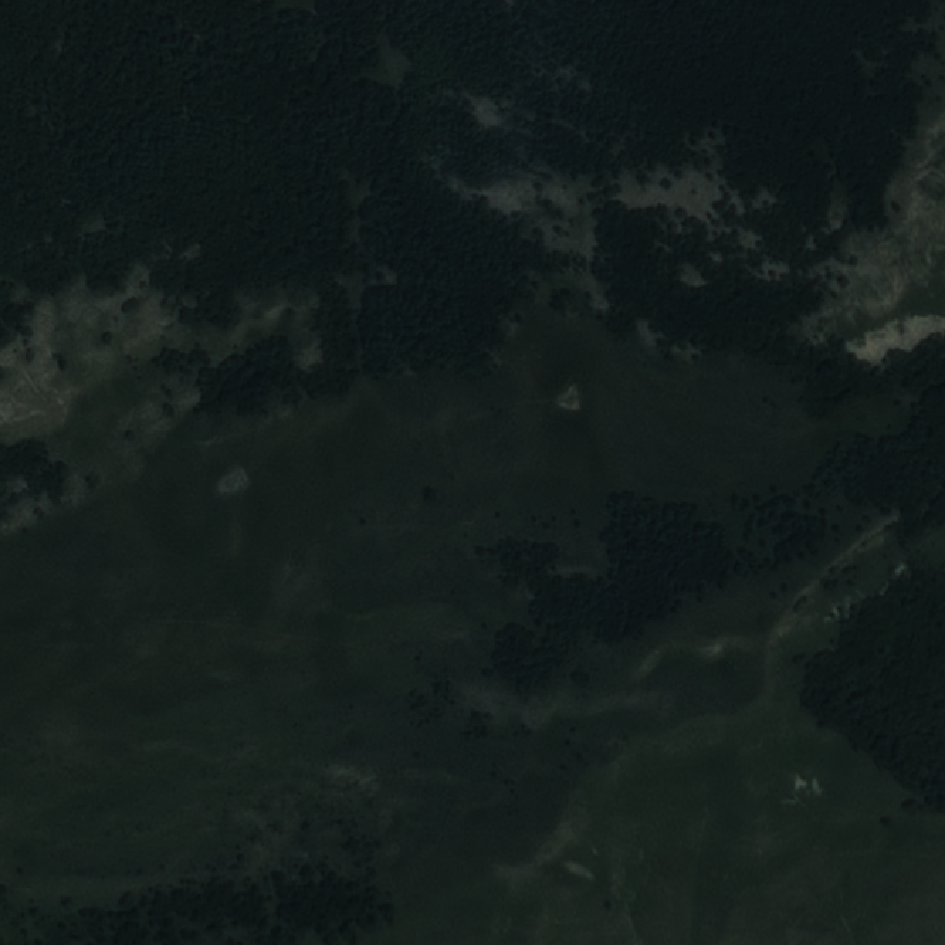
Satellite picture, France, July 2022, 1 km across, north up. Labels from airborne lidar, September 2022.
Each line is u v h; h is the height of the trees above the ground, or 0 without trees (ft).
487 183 0
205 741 0
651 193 0
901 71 24
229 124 55
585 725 0
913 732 60
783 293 33
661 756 0
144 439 0
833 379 62
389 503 0
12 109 54
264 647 0
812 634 0
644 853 0
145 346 0
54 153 51
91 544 0
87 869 0
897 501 37
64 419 0
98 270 30
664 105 41
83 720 0
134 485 0
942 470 37
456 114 28
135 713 0
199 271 44
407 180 60
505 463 0
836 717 33
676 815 0
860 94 39
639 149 21
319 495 0
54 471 31
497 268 43
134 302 22
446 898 0
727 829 0
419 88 43
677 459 0
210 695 0
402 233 49
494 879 0
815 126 50
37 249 25
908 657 49
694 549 53
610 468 0
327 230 64
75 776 0
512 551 30
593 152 37
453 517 0
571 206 0
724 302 42
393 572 0
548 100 28
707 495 0
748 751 0
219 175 53
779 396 0
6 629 0
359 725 0
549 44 20
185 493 0
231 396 51
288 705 0
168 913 34
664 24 55
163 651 0
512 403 0
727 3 54
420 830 0
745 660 0
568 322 0
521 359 0
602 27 25
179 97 71
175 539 0
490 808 0
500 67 36
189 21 67
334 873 29
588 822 0
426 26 28
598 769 0
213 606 0
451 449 0
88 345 0
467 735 27
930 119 0
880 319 0
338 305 37
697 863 0
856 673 53
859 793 0
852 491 45
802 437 0
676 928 0
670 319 42
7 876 0
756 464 0
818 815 0
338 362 45
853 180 32
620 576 36
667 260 32
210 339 0
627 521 31
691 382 0
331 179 40
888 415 0
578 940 0
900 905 0
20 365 0
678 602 27
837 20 36
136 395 0
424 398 0
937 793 26
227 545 0
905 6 35
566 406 0
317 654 0
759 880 0
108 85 60
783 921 0
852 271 0
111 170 58
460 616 0
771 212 22
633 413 0
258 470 0
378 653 0
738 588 0
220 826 0
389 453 0
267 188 50
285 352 32
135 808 0
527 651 27
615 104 37
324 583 0
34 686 0
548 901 0
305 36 56
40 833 0
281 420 0
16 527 0
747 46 48
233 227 49
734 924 0
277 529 0
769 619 0
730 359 0
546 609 33
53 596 0
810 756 0
